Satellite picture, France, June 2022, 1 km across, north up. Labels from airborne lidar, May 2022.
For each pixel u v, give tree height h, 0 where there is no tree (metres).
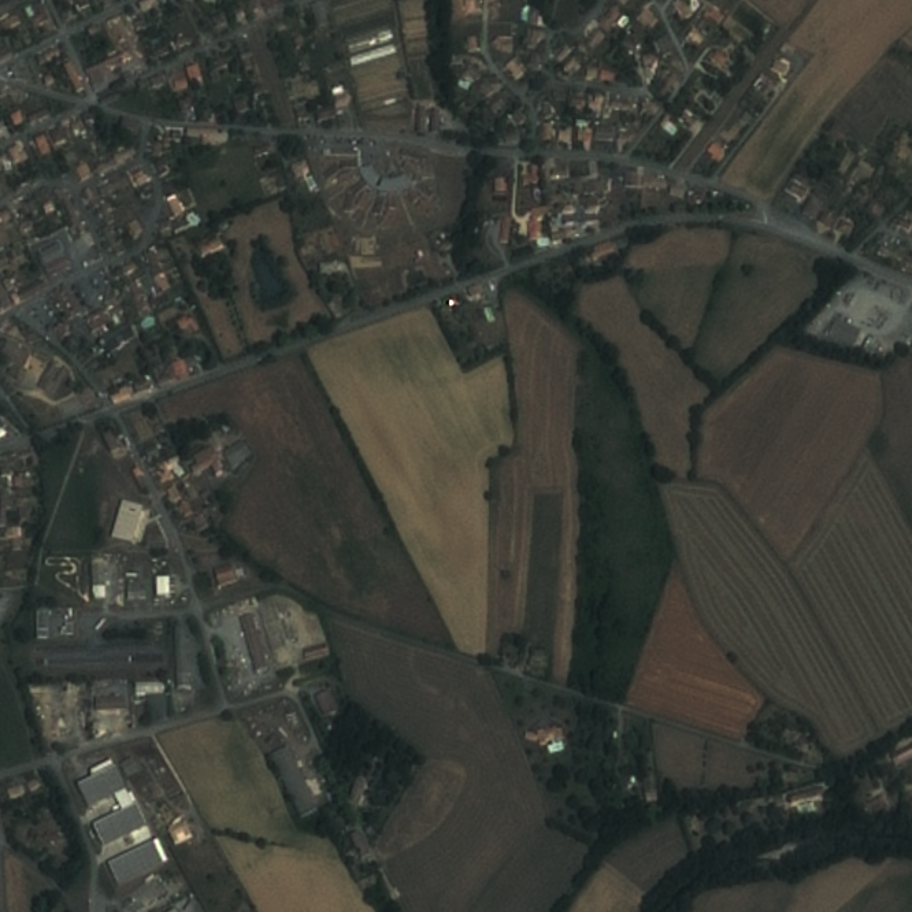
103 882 0
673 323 0
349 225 0
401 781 18
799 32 0
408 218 0
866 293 0
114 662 0
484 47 0
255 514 0
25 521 6
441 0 19
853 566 0
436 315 8
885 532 0
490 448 0
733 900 0
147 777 0
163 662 0
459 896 0
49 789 8
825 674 0
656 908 19
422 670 0
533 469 0
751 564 0
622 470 0
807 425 0
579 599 7
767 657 0
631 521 0
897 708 0
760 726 6
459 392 0
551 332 0
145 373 10
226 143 0
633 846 0
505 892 0
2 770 0
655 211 13
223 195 0
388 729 15
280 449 0
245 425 0
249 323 0
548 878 0
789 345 9
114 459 0
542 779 10
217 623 0
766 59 0
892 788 15
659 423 0
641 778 9
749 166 0
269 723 0
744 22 0
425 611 0
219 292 9
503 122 9
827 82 0
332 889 0
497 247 0
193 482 0
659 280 0
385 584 0
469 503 0
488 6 0
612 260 6
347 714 18
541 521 0
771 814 14
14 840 9
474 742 0
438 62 17
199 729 0
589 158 0
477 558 0
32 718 12
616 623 6
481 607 0
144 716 10
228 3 6
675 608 0
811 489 0
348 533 0
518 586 0
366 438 0
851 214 6
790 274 0
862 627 0
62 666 0
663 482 16
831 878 0
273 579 8
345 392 0
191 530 6
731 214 16
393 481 0
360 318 0
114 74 0
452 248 9
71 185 0
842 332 0
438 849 0
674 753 0
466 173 7
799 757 8
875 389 0
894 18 0
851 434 0
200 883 0
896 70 0
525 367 0
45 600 8
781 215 0
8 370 6
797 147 0
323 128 6
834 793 16
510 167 0
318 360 0
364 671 0
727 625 0
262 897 0
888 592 0
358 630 0
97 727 0
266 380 0
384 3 0
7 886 0
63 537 0
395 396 0
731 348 0
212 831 6
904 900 0
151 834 0
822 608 0
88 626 0
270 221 0
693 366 10
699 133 0
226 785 0
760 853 18
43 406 0
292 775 0
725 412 0
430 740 0
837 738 0
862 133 0
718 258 0
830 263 14
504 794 0
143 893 0
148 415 7
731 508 0
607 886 0
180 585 0
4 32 6
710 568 0
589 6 11
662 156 9
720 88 7
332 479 0
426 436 0
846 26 0
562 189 7
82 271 0
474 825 0
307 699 9
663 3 0
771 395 0
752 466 0
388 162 0
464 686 0
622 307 0
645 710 0
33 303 0
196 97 6
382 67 0
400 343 0
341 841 8
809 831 26
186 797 0
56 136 0
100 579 0
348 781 10
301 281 0
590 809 14
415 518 0
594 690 19
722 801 18
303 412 0
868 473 0
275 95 0
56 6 10
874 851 24
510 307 0
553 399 0
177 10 6
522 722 7
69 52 0
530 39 0
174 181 6
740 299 0
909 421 0
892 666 0
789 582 0
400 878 0
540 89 10
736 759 0
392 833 0
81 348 7
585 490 9
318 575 0
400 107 0
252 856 0
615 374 11
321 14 0
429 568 0
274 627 0
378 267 0
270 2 0
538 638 0
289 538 0
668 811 17
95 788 0
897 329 0
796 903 0
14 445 0
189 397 0
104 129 12
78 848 16
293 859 0
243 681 0
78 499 0
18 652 0
